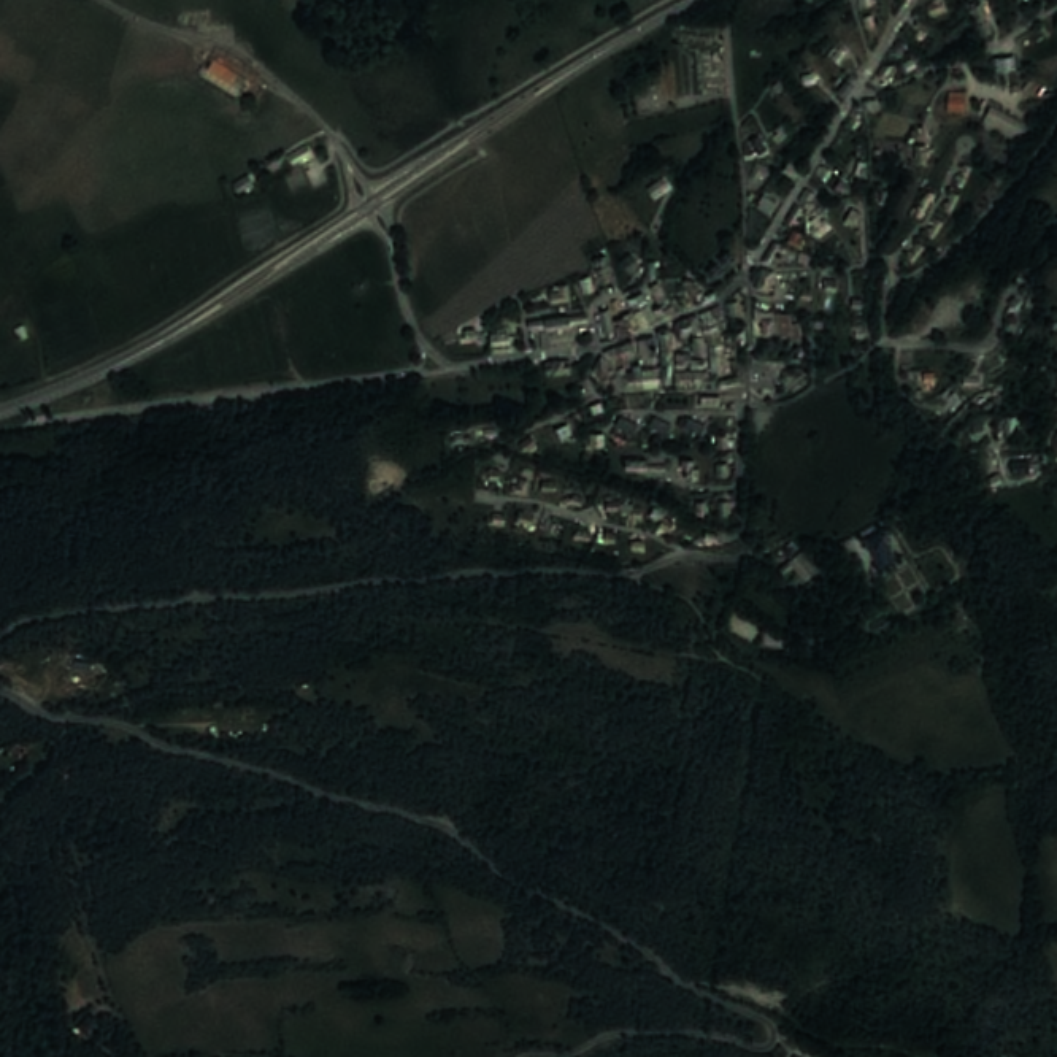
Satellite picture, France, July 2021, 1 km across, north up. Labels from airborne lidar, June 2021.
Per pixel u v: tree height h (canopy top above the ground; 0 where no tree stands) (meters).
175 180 0
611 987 10
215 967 8
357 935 0
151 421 13
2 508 19
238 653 8
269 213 0
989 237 17
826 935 8
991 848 0
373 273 0
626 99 20
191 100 0
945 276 17
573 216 0
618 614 13
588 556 7
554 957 10
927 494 22
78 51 0
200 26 0
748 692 9
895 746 0
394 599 11
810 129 7
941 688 0
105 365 0
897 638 8
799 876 12
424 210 0
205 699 7
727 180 7
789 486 0
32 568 21
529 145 0
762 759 13
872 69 0
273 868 7
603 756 8
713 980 9
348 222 0
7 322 0
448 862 9
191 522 13
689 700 11
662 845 17
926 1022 12
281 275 0
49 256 0
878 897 10
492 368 11
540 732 9
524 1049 6
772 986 7
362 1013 0
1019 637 16
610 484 13
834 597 17
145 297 0
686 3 0
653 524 6
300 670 16
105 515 22
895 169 13
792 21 8
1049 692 13
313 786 7
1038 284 16
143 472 17
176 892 8
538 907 20
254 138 0
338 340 0
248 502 18
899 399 12
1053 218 18
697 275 8
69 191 0
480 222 0
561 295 0
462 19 0
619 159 0
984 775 10
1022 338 6
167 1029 0
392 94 0
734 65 0
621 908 16
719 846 15
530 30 15
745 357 10
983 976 14
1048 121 14
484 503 0
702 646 10
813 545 15
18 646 8
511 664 9
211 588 12
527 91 0
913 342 0
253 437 18
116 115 0
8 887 10
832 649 19
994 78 6
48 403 0
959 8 8
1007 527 16
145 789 9
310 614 8
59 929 10
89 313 0
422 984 0
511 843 15
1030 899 13
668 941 12
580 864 25
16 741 7
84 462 20
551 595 8
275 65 0
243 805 12
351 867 9
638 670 0
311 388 0
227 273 0
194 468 17
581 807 13
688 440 6
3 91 0
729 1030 9
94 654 9
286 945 0
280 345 0
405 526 11
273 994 0
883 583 8
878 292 9
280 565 9
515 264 0
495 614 12
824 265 8
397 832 11
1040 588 13
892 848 10
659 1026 12
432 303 0
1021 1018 9
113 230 0
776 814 9
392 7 33
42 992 12
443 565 13
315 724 8
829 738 10
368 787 10
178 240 0
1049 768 15
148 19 0
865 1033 9
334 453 20
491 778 7
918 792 8
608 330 0
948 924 9
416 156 0
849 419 0
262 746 10
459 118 0
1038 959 19
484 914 0
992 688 9
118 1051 14
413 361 13
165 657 7
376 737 10
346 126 0
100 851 14
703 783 11
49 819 14
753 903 13
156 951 0
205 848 9
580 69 0
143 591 11
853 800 10
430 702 9
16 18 0
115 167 0
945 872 10
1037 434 11
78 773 13
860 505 0
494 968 7
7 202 0
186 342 0
